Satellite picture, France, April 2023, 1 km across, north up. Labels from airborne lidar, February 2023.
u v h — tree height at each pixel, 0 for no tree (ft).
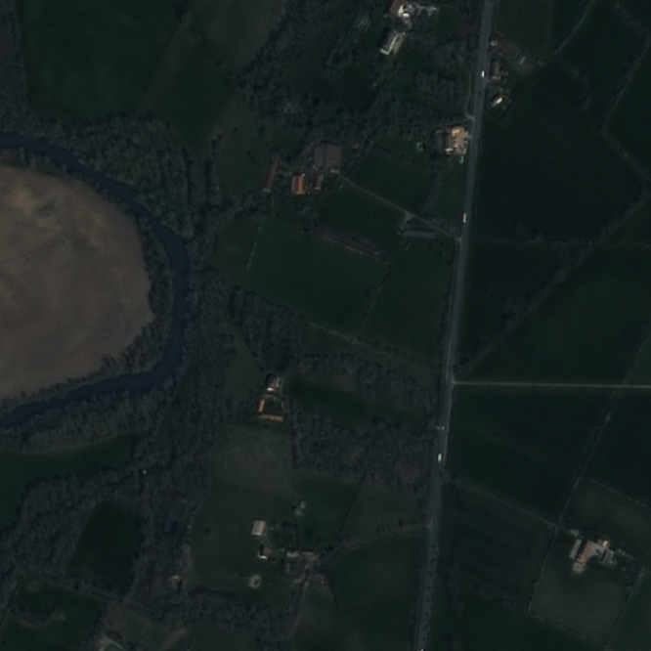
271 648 63
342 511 0
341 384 0
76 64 0
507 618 0
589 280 0
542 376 0
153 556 62
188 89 0
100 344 0
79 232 0
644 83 0
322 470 51
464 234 0
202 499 40
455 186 0
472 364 41
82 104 0
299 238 0
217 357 55
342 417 0
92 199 0
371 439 54
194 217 57
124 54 0
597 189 0
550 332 0
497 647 0
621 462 0
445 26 0
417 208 0
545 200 0
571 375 0
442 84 51
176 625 51
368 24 0
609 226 52
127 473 45
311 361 30
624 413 0
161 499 72
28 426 52
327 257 0
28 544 61
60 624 0
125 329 0
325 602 0
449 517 0
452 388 0
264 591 0
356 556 0
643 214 0
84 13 0
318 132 76
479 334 0
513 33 0
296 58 0
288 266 0
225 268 0
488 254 0
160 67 0
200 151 0
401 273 0
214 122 0
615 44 0
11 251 0
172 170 53
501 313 0
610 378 0
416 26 22
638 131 0
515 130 0
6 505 0
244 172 0
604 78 0
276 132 0
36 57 0
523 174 0
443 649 0
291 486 0
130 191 0
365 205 0
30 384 0
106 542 0
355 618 0
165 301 55
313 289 0
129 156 72
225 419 35
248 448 0
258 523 0
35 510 28
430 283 0
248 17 0
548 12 0
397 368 0
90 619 0
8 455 0
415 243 0
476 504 0
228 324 0
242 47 0
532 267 0
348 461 0
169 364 0
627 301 0
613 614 0
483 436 0
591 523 0
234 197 0
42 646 0
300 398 0
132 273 0
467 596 0
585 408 0
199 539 0
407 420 0
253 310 44
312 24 59
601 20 0
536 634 0
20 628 0
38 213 0
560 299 0
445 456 0
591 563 0
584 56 0
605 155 0
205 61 0
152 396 63
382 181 0
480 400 0
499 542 0
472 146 0
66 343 0
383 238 0
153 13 0
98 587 36
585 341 0
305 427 61
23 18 0
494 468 0
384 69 43
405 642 0
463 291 0
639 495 0
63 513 61
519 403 0
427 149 34
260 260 0
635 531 0
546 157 0
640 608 0
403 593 0
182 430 34
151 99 0
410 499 0
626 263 0
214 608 58
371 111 55
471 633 0
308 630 0
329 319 0
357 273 0
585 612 0
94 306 0
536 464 0
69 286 0
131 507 58
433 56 31
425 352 0
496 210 0
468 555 0
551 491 0
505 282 0
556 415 0
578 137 0
